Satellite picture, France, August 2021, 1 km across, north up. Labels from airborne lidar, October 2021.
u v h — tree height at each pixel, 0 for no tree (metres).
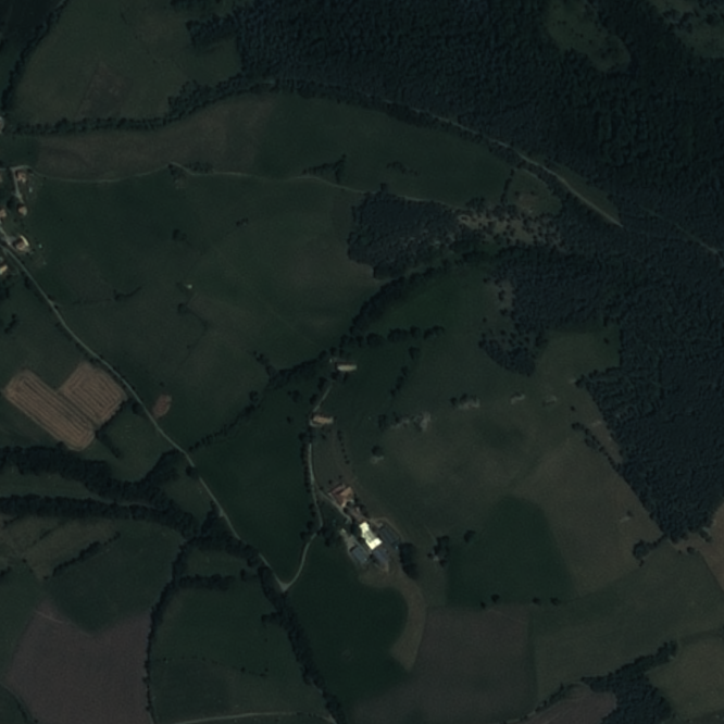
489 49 20
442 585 0
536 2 24
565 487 0
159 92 0
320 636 0
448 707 0
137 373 0
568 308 13
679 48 18
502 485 0
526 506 0
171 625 0
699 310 14
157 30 0
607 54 7
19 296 0
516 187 0
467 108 14
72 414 0
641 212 9
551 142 13
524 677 0
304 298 0
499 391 0
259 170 0
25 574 0
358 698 0
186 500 0
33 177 0
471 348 0
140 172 0
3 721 0
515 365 12
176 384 0
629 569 0
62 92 0
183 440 0
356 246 10
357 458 0
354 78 17
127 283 0
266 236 0
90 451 0
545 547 0
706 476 11
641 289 15
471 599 0
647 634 0
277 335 0
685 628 0
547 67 22
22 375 0
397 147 0
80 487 0
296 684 0
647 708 15
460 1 17
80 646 0
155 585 0
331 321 0
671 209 14
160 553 0
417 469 0
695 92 19
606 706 0
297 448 0
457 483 0
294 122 0
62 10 10
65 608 0
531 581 0
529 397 0
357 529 14
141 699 0
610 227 11
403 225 8
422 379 0
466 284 0
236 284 0
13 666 0
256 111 0
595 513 0
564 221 11
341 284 0
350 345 16
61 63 0
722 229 17
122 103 0
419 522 0
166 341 0
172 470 13
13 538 0
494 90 18
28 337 0
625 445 7
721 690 0
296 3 23
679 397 16
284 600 14
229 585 16
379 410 0
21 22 0
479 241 15
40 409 0
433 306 0
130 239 0
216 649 0
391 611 0
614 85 28
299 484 0
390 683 0
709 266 14
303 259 0
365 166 0
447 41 15
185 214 0
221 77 0
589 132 17
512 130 17
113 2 0
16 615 0
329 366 0
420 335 15
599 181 8
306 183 0
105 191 0
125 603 0
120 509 15
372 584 0
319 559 0
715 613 0
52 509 19
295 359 0
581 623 0
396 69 22
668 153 25
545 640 0
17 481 0
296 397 16
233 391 0
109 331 0
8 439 0
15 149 0
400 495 0
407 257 11
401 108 10
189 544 11
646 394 12
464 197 0
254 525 0
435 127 7
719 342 14
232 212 0
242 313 0
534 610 0
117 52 0
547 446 0
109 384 0
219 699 0
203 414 0
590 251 11
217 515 15
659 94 20
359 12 28
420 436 0
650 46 18
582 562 0
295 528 0
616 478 0
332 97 10
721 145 15
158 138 0
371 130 0
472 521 0
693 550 9
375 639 0
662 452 10
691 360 14
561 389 0
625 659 0
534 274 11
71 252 0
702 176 22
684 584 0
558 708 0
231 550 16
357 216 10
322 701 0
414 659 0
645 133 29
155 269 0
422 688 0
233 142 0
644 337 13
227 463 0
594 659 0
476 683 0
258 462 0
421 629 0
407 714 0
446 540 14
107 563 0
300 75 14
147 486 19
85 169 0
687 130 30
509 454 0
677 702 0
